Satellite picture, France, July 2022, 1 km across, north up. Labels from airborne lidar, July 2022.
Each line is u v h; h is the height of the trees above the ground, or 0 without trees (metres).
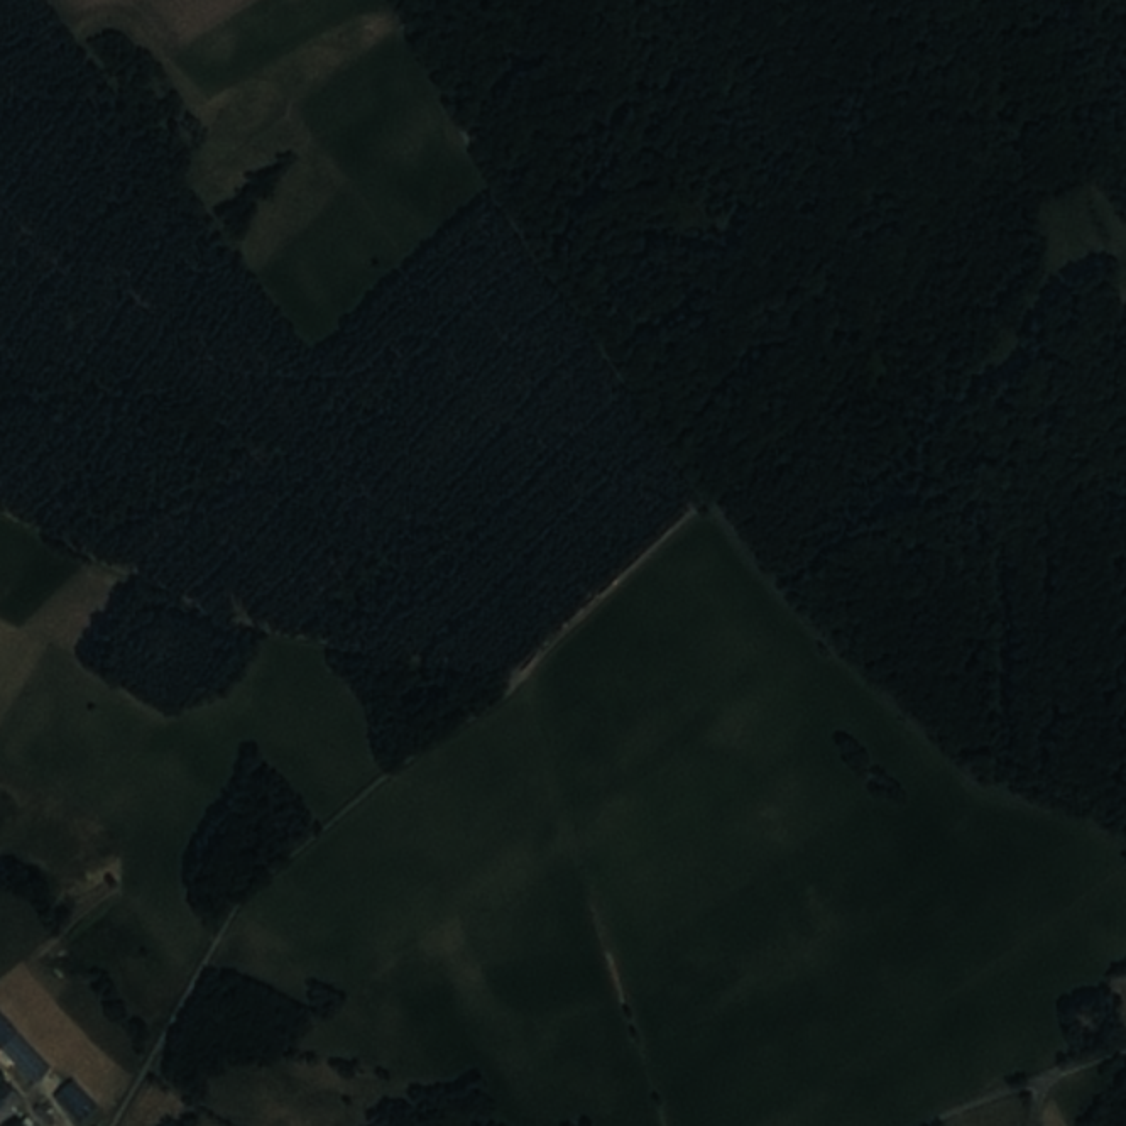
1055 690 26
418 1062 0
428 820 0
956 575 27
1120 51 20
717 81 28
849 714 0
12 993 0
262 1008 15
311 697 0
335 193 0
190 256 19
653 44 19
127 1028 14
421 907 0
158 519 23
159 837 0
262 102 0
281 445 22
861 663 10
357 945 0
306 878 0
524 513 21
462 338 21
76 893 0
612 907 0
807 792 0
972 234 12
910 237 25
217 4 0
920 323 11
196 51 0
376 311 17
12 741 0
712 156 26
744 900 0
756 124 29
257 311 20
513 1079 0
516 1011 0
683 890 0
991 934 0
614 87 26
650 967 0
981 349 13
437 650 24
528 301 23
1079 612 25
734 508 11
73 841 0
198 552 20
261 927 0
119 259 22
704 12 25
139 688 23
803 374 27
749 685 0
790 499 13
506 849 0
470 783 0
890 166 27
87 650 21
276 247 0
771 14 30
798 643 0
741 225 23
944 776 0
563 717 0
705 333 28
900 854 0
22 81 21
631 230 24
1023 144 12
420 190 0
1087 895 0
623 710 0
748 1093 0
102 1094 0
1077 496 23
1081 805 14
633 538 20
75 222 19
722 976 0
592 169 7
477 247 22
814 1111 0
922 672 25
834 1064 0
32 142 18
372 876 0
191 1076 15
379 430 20
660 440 18
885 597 25
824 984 0
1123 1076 14
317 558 22
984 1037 0
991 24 8
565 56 26
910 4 27
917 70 28
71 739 0
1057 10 14
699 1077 0
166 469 22
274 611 18
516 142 23
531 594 20
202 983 11
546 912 0
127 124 17
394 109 0
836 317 26
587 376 22
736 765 0
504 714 0
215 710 0
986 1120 0
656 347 25
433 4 24
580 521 21
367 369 22
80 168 17
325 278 0
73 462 22
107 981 14
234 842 27
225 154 0
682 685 0
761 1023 0
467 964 0
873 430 15
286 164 7
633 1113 0
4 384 23
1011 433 20
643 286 25
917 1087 0
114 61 9
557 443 17
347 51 0
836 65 28
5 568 0
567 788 0
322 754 0
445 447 19
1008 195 10
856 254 29
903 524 32
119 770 0
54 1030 0
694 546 0
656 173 28
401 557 16
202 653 24
